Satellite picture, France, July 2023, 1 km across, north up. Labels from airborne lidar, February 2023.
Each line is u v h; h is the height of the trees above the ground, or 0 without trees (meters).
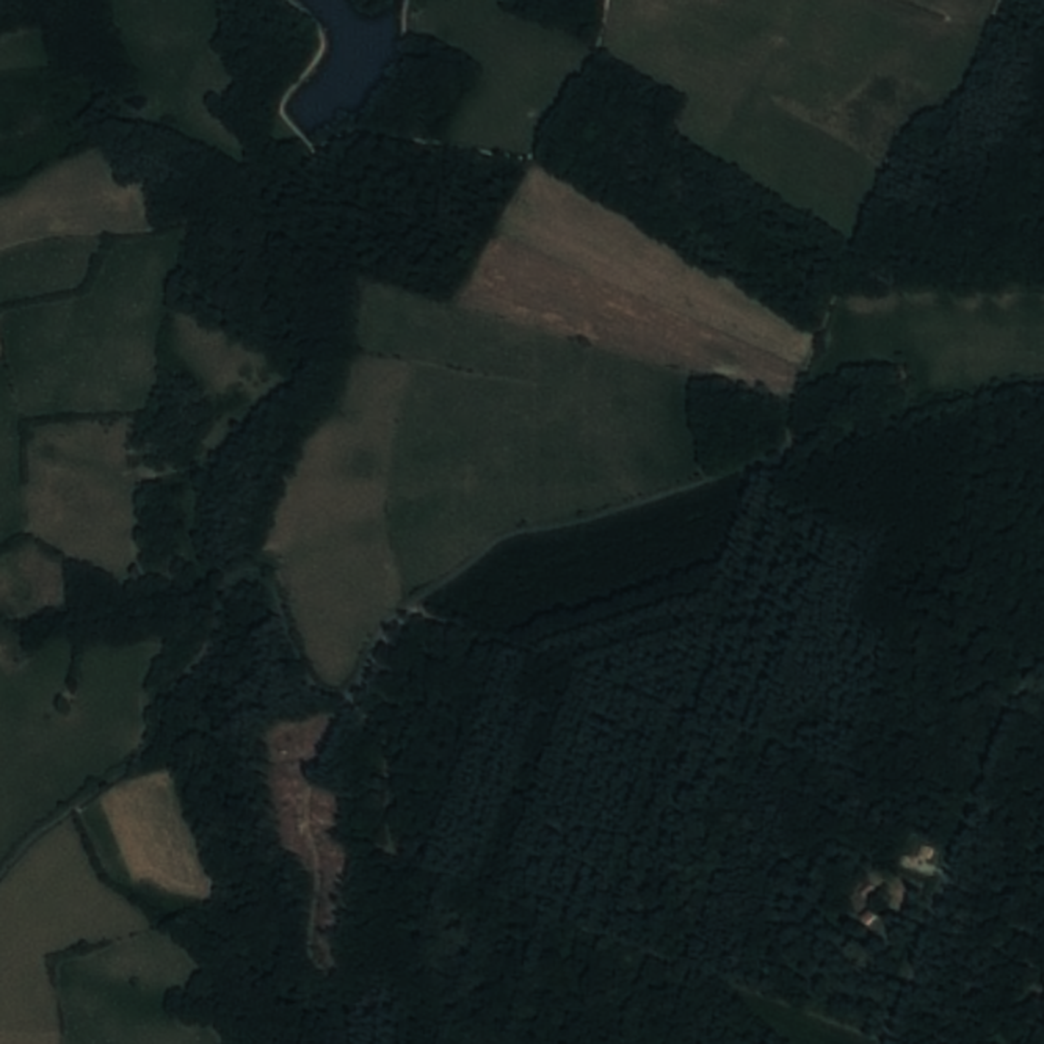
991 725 18
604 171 22
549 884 34
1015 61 18
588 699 31
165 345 9
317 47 14
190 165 21
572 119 22
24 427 6
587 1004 18
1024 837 24
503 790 32
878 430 21
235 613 24
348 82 0
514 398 0
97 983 0
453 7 0
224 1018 21
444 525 0
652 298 0
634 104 22
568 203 0
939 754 22
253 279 24
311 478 0
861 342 0
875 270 23
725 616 13
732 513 6
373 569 0
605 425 0
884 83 0
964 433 21
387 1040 25
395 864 17
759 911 22
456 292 8
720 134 0
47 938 0
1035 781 27
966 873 35
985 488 22
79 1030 0
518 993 24
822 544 30
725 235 19
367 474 0
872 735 22
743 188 22
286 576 0
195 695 24
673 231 21
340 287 13
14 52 0
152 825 0
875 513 24
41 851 0
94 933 0
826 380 12
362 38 0
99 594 14
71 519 0
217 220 20
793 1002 22
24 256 0
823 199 0
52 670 0
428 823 22
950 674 28
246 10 22
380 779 22
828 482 26
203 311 21
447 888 26
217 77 0
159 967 0
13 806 0
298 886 24
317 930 17
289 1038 14
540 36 0
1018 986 10
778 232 23
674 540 6
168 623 22
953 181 23
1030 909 23
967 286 21
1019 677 8
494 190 22
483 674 23
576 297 0
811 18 0
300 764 23
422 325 0
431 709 19
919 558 20
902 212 23
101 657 0
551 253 0
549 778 32
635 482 0
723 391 16
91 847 12
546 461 0
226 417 0
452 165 14
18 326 0
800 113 0
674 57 0
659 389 0
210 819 16
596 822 33
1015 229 23
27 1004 0
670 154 24
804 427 9
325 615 0
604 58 16
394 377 0
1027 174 22
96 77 13
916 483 26
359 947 22
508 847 25
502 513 0
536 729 31
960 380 0
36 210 0
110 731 0
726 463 25
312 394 24
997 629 24
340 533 0
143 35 0
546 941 26
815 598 31
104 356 0
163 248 0
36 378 0
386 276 15
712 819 20
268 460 18
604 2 16
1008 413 23
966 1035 17
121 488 0
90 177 0
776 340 0
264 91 18
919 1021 24
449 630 16
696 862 16
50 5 16
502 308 0
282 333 12
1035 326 0
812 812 22
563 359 0
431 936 20
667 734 31
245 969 26
